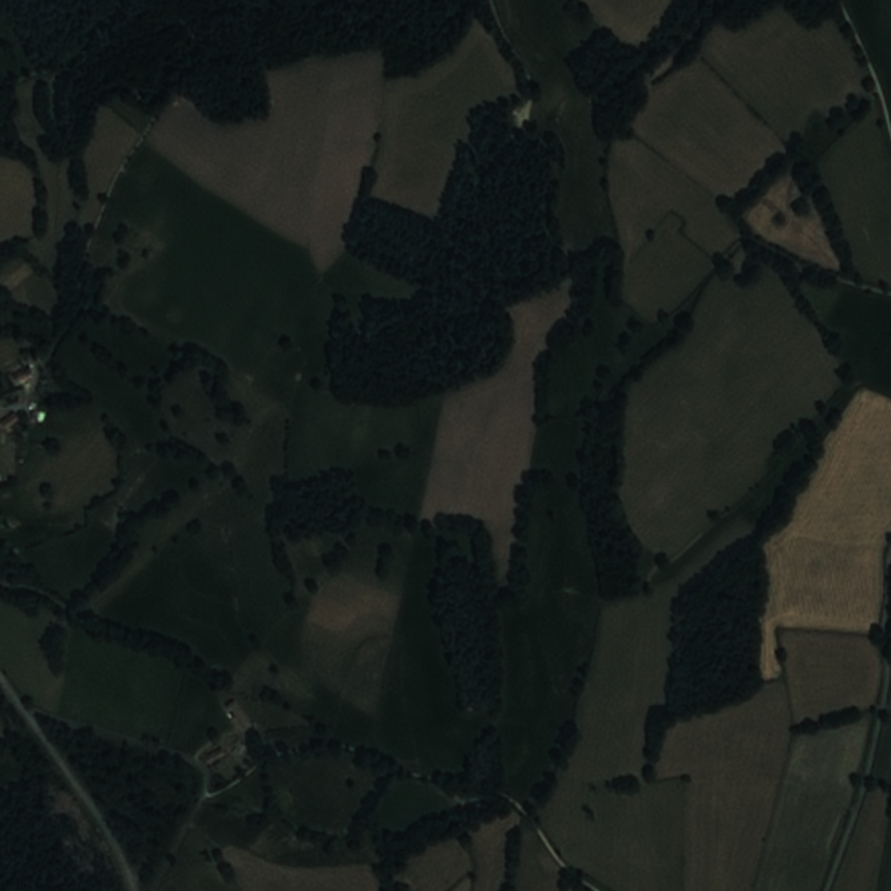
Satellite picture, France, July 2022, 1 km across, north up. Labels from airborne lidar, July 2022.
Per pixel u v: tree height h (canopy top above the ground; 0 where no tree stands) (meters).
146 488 0
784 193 0
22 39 16
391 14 15
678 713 19
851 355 0
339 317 20
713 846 0
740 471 0
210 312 0
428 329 31
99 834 0
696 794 0
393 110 0
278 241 0
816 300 0
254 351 0
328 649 0
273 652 0
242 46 19
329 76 0
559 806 0
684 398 0
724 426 0
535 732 0
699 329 0
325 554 0
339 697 0
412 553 0
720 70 0
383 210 27
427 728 0
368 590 0
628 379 9
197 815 0
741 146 0
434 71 0
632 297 0
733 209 11
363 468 0
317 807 0
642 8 0
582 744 0
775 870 0
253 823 16
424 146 0
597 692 0
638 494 0
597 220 0
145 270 0
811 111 0
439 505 0
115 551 11
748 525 0
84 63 6
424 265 22
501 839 0
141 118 0
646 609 0
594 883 0
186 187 0
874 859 0
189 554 0
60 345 8
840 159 0
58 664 21
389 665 0
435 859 0
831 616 0
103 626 16
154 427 0
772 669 0
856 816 0
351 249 15
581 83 23
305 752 13
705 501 0
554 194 22
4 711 18
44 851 20
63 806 0
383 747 0
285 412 0
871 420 0
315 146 0
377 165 0
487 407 0
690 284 0
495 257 25
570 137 0
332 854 13
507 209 18
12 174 0
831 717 11
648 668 0
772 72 0
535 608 0
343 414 0
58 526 0
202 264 0
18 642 0
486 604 23
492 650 16
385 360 31
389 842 19
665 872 0
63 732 18
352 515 23
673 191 0
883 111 0
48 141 16
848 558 0
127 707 0
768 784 0
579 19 19
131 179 0
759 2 18
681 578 0
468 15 20
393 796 0
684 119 0
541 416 13
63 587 0
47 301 0
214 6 8
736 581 25
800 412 0
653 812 0
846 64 0
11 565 15
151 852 6
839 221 16
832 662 0
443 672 0
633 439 0
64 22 16
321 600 0
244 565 0
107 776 7
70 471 0
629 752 0
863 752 0
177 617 0
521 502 19
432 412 0
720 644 18
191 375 0
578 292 22
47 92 16
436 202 0
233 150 0
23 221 0
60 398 17
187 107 0
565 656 0
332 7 22
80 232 18
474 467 0
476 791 18
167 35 10
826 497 0
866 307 0
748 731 0
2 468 0
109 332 0
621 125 16
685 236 0
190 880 0
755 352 0
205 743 0
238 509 0
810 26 17
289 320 0
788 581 0
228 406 22
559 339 20
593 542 9
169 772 7
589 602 0
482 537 24
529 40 0
